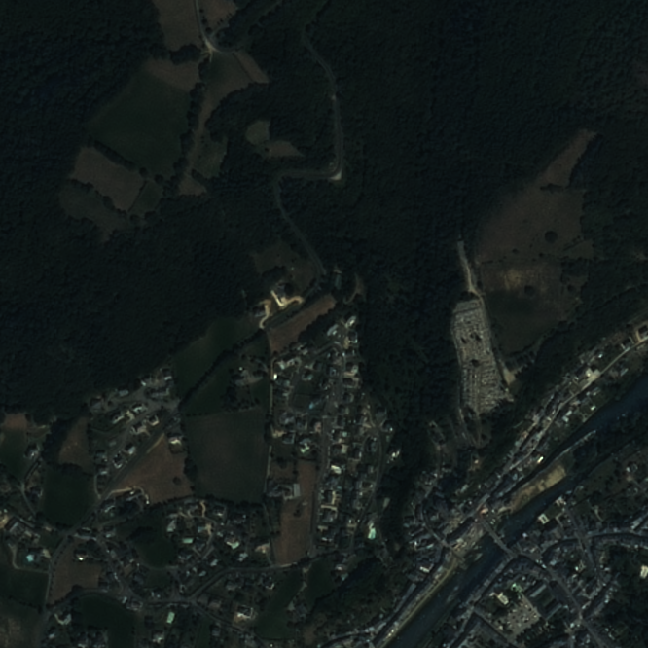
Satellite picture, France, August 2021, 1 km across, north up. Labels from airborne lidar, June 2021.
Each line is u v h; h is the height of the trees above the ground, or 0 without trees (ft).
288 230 55
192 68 0
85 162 0
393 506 37
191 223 64
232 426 0
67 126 80
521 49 48
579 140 0
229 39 63
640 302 19
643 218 63
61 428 76
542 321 0
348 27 63
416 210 82
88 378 73
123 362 78
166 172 0
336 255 53
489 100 60
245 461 0
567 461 0
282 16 77
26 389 68
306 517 0
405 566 26
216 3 0
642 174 52
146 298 67
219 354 0
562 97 34
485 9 51
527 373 42
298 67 84
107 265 56
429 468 18
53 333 49
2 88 64
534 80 47
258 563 23
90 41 86
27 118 75
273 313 0
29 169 74
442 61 108
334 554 18
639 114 29
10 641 0
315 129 62
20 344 54
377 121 67
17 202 86
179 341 53
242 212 61
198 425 0
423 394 42
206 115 0
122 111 0
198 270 70
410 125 92
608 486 29
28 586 0
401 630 0
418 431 42
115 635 0
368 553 45
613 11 40
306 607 25
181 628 20
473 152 69
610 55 24
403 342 73
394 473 41
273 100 35
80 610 42
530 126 69
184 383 0
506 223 0
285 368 0
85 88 52
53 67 68
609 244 40
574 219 0
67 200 0
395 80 66
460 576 0
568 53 57
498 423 34
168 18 0
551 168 0
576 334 39
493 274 0
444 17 80
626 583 60
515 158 76
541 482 0
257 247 52
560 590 0
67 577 0
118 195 0
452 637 0
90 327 62
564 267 34
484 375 0
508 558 0
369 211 50
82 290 52
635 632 48
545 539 0
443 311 74
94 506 0
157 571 0
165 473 0
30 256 46
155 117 0
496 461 23
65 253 66
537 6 54
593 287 43
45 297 66
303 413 0
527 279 0
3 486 0
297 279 0
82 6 80
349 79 70
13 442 0
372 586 97
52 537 25
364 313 30
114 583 18
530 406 22
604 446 44
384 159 68
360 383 20
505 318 0
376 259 84
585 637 0
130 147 0
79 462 0
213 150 0
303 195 76
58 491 0
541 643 28
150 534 40
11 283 58
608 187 54
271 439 52
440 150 82
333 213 46
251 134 0
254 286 61
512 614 0
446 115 63
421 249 76
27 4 72
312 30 56
